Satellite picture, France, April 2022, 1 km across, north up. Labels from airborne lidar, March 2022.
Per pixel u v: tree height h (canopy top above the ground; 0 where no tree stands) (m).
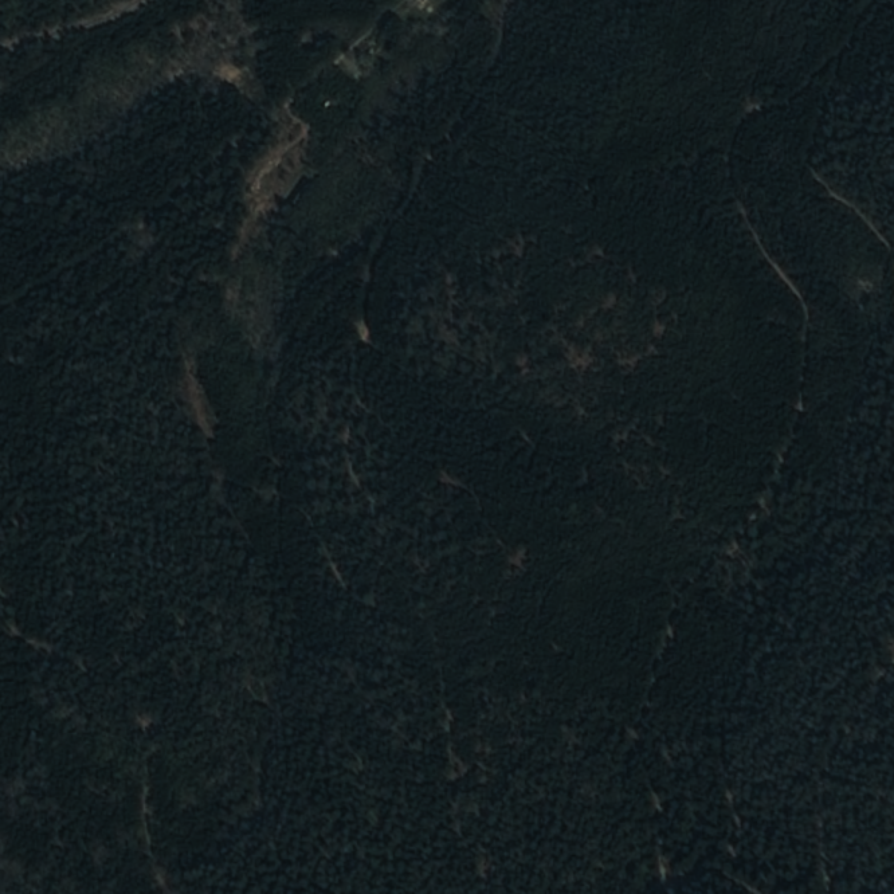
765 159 19
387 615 9
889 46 20
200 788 11
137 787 12
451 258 28
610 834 17
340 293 22
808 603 30
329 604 12
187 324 20
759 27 15
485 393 17
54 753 13
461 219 11
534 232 11
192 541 21
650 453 16
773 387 20
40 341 25
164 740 27
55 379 23
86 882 14
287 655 36
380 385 10
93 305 25
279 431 8
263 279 8
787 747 30
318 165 13
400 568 11
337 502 20
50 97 9
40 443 21
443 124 25
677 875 13
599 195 18
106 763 15
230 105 21
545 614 16
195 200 17
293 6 16
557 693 19
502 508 22
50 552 24
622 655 18
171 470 15
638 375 7
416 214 20
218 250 29
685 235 16
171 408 26
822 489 14
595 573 18
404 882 22
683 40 15
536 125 13
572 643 18
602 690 13
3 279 29
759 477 15
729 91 13
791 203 19
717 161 25
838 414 17
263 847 29
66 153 12
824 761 26
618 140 12
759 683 30
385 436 10
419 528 14
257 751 30
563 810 26
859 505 29
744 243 25
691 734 18
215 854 15
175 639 13
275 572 19
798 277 30
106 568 17
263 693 29
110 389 21
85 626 19
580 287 10
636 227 15
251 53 23
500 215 9
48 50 23
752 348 15
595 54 13
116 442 16
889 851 17
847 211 8
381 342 23
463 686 10
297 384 9
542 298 8
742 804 31
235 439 11
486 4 21
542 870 29
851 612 29
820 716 25
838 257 21
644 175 20
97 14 18
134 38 12
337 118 14
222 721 23
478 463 18
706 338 9
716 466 12
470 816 26
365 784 13
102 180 20
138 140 29
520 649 12
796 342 21
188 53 9
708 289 11
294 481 16
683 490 7
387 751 19
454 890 25
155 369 24
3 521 10
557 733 10
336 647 12
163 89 18
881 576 17
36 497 31
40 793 19
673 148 25
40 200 24
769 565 31
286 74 15
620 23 12
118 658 21
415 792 17
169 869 14
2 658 17
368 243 8
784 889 12
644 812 34
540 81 15
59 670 33
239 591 26
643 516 10
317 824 24
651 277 12
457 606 11
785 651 33
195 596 20
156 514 17
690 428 21
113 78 13
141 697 23
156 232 30
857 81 11
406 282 13
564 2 18
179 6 10
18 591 14
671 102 18
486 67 18
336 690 20
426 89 13
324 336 20
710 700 14
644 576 16
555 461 12
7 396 21
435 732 8
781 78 13
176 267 15
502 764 11
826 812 28
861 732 23
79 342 23
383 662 11
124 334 23
